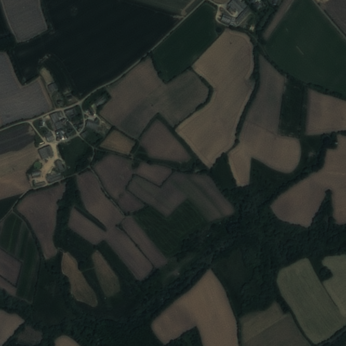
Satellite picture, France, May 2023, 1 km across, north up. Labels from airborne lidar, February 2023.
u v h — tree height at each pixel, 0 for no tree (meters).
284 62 0
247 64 0
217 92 0
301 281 0
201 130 0
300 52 0
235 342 0
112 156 0
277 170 0
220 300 0
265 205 12
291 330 0
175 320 0
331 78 0
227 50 0
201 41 0
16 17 0
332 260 0
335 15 0
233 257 0
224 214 0
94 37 0
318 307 0
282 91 0
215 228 18
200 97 0
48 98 0
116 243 0
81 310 7
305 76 0
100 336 14
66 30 0
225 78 0
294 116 0
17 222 0
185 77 0
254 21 0
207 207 0
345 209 0
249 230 13
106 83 0
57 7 0
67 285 14
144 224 0
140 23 0
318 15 0
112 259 0
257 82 7
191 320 0
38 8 0
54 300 0
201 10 0
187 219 0
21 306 8
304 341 0
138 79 0
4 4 0
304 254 7
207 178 0
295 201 0
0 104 0
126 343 16
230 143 0
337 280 0
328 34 0
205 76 0
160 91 0
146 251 0
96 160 7
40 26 0
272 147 0
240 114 0
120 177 0
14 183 0
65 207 11
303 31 0
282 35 0
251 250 11
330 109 0
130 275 0
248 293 8
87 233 0
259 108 0
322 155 14
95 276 0
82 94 0
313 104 0
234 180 9
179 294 8
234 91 0
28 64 0
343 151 0
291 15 0
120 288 0
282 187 12
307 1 0
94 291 0
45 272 0
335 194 0
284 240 0
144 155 0
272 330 0
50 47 0
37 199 0
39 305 0
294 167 0
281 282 0
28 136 0
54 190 0
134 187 0
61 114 0
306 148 0
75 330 9
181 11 0
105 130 0
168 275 0
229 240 9
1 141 0
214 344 0
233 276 0
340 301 0
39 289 0
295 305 0
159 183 0
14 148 0
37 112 0
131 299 0
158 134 0
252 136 0
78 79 0
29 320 16
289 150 0
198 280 8
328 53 0
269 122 0
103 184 0
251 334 0
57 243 0
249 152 0
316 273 0
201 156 0
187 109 0
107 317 0
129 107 0
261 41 7
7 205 0
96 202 0
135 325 9
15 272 0
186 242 9
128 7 0
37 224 0
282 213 0
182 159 0
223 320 0
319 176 0
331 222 13
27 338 0
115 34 0
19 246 0
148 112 0
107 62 0
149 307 13
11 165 0
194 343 9
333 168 0
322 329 0
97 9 0
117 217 0
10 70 0
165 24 0
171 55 0
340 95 9
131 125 0
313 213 0
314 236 7
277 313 0
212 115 0
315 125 0
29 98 0
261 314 0
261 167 0
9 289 0
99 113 0
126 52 0
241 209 15
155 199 0
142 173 0
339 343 8
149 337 16
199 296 0
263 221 10
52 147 0
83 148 0
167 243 0
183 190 0
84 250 0
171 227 0
